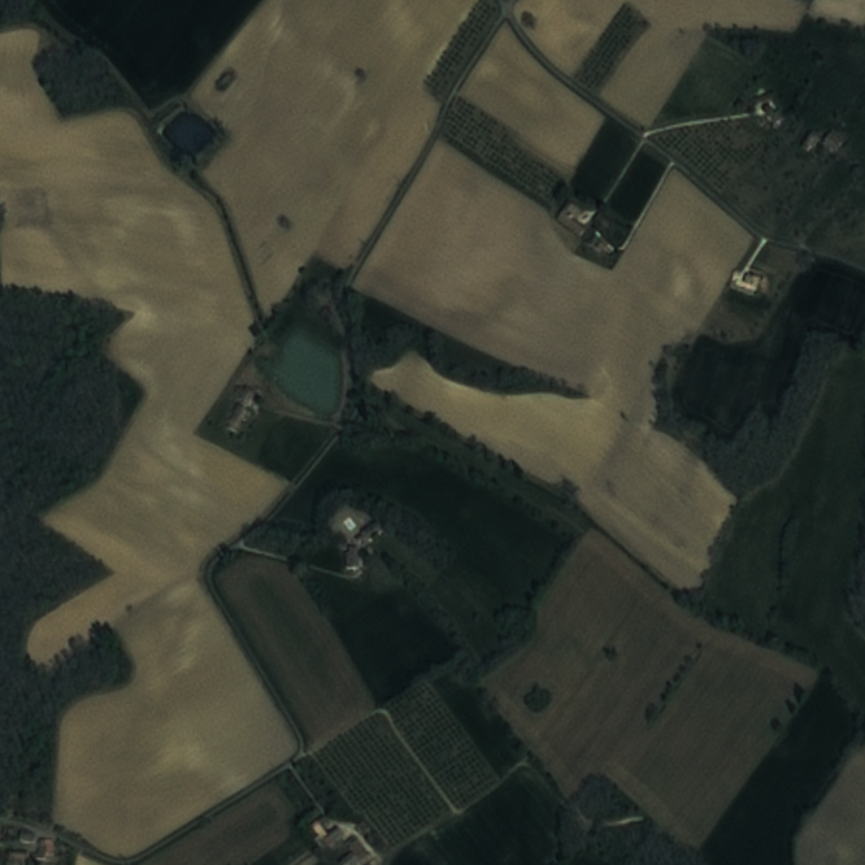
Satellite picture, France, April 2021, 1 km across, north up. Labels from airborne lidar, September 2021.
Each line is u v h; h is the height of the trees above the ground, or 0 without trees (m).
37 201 0
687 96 0
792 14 0
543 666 0
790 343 0
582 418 0
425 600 7
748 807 0
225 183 0
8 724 17
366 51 0
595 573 0
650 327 0
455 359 0
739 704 0
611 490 0
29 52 0
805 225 7
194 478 0
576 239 0
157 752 0
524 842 0
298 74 0
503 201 0
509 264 0
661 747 0
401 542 12
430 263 0
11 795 9
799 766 0
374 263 0
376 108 0
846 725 0
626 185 0
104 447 17
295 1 0
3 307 21
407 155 0
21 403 15
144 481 0
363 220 0
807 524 0
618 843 6
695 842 0
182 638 0
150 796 0
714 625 19
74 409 18
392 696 5
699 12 0
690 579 0
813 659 16
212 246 0
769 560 0
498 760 0
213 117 0
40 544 15
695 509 0
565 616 0
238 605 0
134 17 0
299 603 0
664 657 0
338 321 23
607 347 0
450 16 0
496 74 0
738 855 0
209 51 0
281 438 0
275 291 0
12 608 19
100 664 19
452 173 0
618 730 0
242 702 0
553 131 0
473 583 0
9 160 0
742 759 0
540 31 0
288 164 0
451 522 0
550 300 0
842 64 0
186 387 0
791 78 9
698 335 0
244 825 0
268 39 0
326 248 0
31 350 22
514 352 0
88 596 0
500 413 0
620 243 0
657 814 0
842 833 0
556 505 0
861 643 0
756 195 0
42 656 0
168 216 0
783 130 15
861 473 0
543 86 0
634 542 0
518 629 13
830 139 0
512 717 0
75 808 0
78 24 0
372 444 17
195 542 0
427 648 0
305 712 0
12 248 0
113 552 0
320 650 0
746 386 0
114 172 0
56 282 0
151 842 0
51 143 0
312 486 0
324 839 0
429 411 0
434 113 0
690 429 21
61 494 16
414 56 0
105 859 0
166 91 0
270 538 19
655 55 0
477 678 12
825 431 0
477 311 0
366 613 0
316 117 0
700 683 0
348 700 0
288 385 0
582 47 0
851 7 0
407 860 0
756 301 0
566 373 0
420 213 0
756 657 0
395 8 0
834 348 23
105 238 0
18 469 11
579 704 0
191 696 0
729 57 0
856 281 0
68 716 0
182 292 0
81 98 20
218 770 0
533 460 0
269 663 0
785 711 0
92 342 16
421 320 0
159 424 0
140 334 0
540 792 0
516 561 0
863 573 19
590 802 17
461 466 15
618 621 0
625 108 0
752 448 22
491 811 0
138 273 0
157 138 0
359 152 0
